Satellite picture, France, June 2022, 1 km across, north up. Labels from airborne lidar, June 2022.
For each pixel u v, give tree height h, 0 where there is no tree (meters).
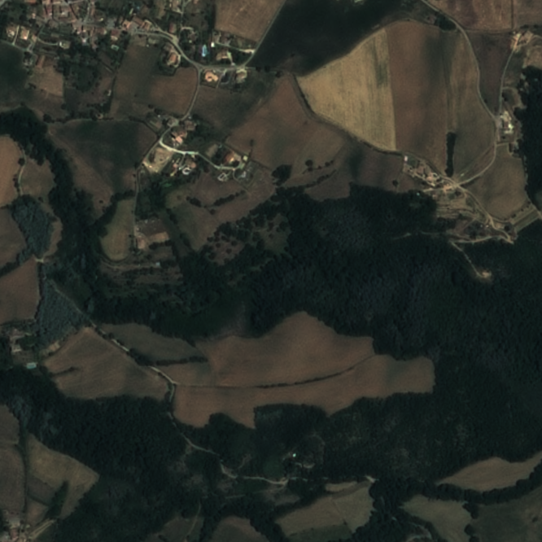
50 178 0
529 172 10
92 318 7
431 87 0
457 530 0
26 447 0
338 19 0
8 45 0
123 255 0
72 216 18
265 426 9
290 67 0
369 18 0
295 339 0
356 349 0
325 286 18
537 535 0
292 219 14
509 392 16
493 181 0
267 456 7
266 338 0
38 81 0
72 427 29
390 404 11
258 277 20
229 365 0
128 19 6
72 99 0
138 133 0
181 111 0
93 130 0
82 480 0
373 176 0
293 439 8
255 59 0
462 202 0
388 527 14
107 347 0
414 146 0
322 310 16
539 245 9
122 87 0
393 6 0
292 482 13
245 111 0
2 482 0
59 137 0
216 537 0
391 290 19
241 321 0
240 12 0
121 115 0
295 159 0
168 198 0
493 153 0
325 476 14
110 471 15
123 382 0
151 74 0
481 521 0
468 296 18
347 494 0
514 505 0
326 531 0
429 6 0
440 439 12
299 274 19
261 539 0
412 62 0
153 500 13
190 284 16
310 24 0
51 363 0
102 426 26
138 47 0
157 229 0
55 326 18
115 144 0
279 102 0
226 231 11
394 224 8
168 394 7
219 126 0
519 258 8
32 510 0
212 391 0
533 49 0
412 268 12
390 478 13
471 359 14
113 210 10
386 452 7
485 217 0
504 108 0
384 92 0
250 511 25
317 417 10
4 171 0
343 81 0
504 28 0
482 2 0
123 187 0
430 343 16
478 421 15
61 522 8
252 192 0
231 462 7
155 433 12
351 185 8
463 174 0
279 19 0
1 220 0
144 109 0
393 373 0
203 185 0
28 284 0
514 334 19
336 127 0
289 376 0
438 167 0
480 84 0
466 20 0
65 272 13
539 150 8
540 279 12
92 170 0
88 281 22
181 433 13
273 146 0
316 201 7
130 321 15
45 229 12
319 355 0
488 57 0
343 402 0
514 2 0
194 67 0
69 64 9
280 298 15
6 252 0
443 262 21
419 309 20
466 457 16
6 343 13
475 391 12
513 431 13
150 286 7
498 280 11
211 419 9
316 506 0
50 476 0
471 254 7
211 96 0
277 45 0
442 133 0
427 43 0
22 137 15
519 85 7
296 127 0
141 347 0
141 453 25
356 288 25
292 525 0
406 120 0
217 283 19
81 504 8
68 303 20
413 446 10
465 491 7
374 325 12
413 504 0
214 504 18
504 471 0
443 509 0
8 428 0
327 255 25
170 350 0
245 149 0
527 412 15
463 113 0
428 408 12
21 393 25
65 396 14
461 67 0
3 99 0
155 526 14
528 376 17
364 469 19
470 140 0
